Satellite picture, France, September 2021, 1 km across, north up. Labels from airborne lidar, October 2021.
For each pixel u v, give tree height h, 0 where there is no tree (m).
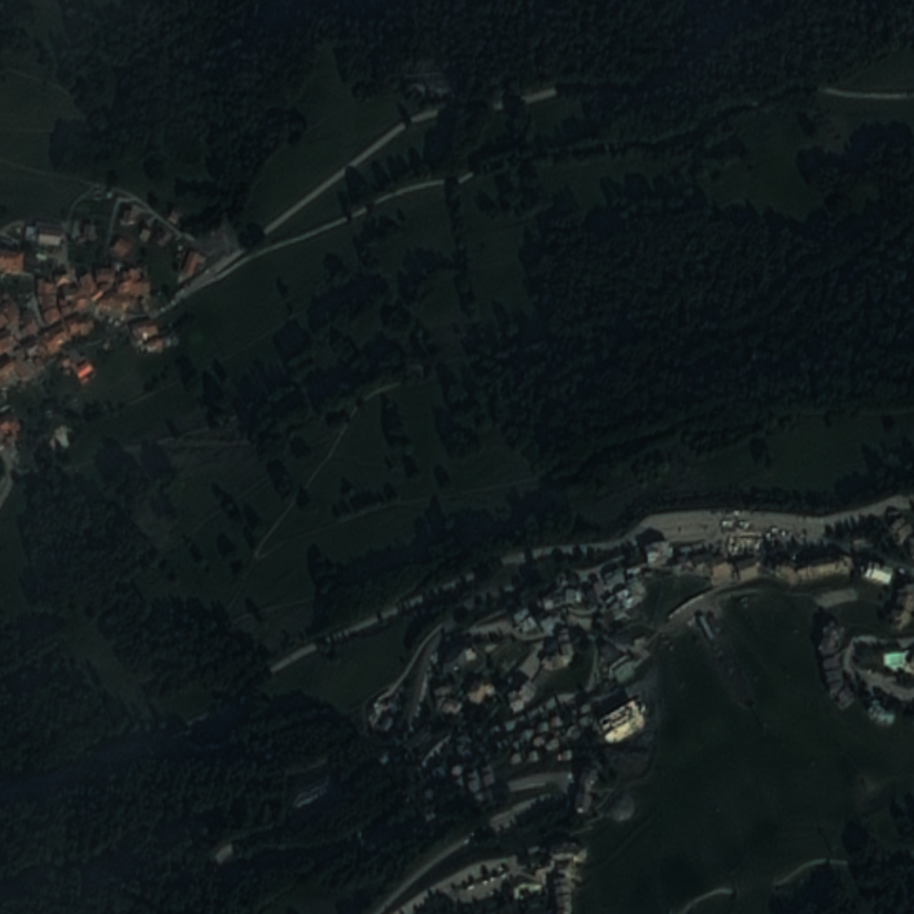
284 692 0
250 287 0
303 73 20
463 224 11
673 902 0
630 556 13
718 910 0
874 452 0
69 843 22
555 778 0
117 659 13
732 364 26
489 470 0
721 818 0
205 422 0
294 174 0
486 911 0
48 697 25
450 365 0
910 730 0
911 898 28
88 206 0
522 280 0
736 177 0
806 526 0
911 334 24
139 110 21
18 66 0
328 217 0
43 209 0
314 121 0
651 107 26
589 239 20
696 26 25
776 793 0
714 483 0
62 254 0
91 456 0
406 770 19
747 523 0
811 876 0
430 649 0
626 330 19
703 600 0
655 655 0
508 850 0
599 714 0
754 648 0
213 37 27
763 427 11
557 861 0
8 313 0
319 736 25
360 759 20
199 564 13
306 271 0
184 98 33
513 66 25
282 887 17
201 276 0
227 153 24
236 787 29
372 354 0
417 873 0
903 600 0
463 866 0
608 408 22
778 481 0
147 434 0
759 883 0
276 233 0
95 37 16
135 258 0
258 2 25
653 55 25
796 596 0
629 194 0
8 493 0
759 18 16
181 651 19
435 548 20
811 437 0
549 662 0
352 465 0
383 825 11
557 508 13
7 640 16
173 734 13
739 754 0
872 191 18
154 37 21
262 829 11
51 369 0
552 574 0
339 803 18
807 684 0
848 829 0
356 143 0
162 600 0
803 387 25
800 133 0
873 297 26
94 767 11
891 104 0
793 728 0
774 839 0
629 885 0
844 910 25
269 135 19
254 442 14
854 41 26
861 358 26
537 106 0
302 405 17
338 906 0
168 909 25
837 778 0
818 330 22
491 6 31
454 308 0
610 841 0
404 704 10
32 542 13
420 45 24
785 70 8
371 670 0
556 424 23
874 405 16
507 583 0
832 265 24
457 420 15
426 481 0
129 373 0
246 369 0
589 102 11
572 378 19
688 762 0
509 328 16
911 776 0
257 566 0
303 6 18
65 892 18
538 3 0
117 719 16
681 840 0
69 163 18
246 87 27
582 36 18
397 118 0
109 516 20
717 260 25
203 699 0
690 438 9
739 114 6
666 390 28
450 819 16
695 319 18
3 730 28
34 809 16
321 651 9
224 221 8
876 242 21
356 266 0
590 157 14
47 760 16
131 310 0
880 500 12
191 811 20
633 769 0
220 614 0
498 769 0
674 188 0
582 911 0
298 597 0
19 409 0
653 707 0
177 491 12
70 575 26
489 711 8
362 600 19
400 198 0
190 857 25
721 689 0
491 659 0
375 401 0
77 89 13
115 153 17
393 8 26
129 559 15
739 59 16
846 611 0
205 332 0
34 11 17
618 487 0
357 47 17
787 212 0
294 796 0
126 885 24
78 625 0
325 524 0
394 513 0
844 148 0
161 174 19
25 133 0
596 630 9
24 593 0
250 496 0
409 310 12
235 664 26
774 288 11
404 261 0
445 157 28
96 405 6
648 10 15
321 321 11
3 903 21
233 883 16
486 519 0
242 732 27
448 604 10
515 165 17
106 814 20
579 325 24
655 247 24
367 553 0
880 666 0
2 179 0
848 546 0
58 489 17
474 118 26
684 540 0
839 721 0
